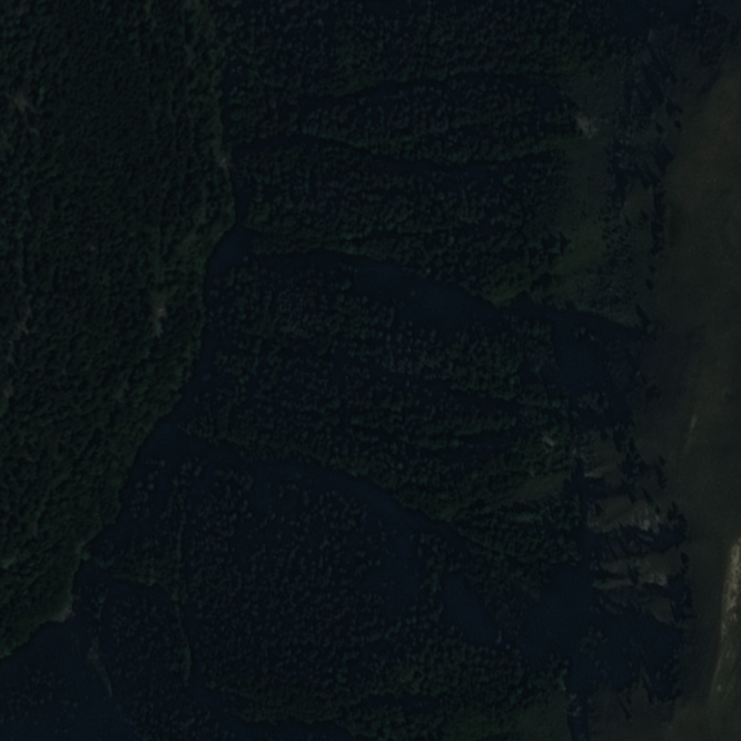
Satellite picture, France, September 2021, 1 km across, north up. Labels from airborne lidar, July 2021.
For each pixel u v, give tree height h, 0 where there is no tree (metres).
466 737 11
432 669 15
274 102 15
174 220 22
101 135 15
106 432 12
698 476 0
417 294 12
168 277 15
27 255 13
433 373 15
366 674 18
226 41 27
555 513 16
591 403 8
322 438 26
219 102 8
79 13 15
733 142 0
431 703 18
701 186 0
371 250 16
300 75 26
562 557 24
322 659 27
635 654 0
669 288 0
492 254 12
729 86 0
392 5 10
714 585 0
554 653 10
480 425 8
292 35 19
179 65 19
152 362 16
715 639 0
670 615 0
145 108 18
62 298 29
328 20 8
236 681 22
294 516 25
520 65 17
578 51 10
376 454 24
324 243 13
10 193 27
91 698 8
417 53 19
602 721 0
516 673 17
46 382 23
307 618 30
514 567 14
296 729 7
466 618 0
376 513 14
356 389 29
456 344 26
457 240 11
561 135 17
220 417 25
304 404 29
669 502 0
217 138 24
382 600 23
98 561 16
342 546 28
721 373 0
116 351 16
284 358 21
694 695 0
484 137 8
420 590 29
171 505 33
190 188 22
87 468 26
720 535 0
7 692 30
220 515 29
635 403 0
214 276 9
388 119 32
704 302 0
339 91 24
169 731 29
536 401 9
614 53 8
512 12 28
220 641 28
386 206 27
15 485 20
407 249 13
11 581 23
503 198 19
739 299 0
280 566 22
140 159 17
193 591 29
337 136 23
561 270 0
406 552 13
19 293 26
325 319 28
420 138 13
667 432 0
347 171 26
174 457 9
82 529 31
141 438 10
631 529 0
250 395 20
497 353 15
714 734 0
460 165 13
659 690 0
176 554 25
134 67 20
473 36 28
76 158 14
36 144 27
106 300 10
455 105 23
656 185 14
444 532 8
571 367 0
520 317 10
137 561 21
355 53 22
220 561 29
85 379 13
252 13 29
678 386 0
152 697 24
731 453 0
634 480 13
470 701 21
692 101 0
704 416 0
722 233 0
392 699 6
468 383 19
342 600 30
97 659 0
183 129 15
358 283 10
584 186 0
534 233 10
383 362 19
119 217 24
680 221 0
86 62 17
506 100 21
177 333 14
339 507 33
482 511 13
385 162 12
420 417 24
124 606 25
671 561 0
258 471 16
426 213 20
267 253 16
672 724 0
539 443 12
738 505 0
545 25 17
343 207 28
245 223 23
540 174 10
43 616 26
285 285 30
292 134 14
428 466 11
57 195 24
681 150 0
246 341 22
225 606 27
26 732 9
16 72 20
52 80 16
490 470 13
